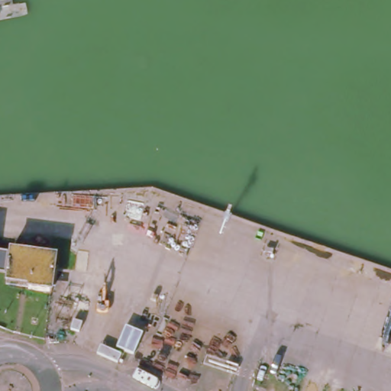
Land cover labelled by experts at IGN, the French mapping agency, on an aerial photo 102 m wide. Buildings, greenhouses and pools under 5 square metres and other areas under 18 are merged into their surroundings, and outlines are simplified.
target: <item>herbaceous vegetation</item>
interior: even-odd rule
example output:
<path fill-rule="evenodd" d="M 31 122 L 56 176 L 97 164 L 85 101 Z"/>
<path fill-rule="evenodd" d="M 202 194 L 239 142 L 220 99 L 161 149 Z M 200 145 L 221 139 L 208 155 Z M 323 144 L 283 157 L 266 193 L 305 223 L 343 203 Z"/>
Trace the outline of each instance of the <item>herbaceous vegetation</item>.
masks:
<path fill-rule="evenodd" d="M 290 391 L 290 385 L 283 376 L 264 371 L 263 380 L 255 380 L 255 385 L 275 391 Z"/>
<path fill-rule="evenodd" d="M 5 283 L 5 273 L 0 273 L 0 325 L 14 330 L 18 295 L 26 293 L 20 331 L 44 336 L 47 321 L 46 302 L 49 296 L 47 293 L 8 286 Z"/>

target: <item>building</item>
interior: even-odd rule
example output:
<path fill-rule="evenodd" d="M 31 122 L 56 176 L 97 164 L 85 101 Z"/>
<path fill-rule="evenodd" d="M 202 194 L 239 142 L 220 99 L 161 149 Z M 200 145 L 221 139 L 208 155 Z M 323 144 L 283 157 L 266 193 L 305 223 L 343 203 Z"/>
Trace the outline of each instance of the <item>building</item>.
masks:
<path fill-rule="evenodd" d="M 139 368 L 134 371 L 134 379 L 154 388 L 157 377 Z"/>
<path fill-rule="evenodd" d="M 229 374 L 235 373 L 237 362 L 208 353 L 203 357 L 205 367 L 217 368 Z"/>
<path fill-rule="evenodd" d="M 5 273 L 5 283 L 8 286 L 47 293 L 50 286 L 55 283 L 53 276 L 57 266 L 57 249 L 31 244 L 9 244 L 8 247 L 0 247 L 0 273 Z"/>
<path fill-rule="evenodd" d="M 101 359 L 122 362 L 127 359 L 128 354 L 136 353 L 142 328 L 134 327 L 128 322 L 116 338 L 115 347 L 102 344 L 96 348 L 96 354 Z"/>

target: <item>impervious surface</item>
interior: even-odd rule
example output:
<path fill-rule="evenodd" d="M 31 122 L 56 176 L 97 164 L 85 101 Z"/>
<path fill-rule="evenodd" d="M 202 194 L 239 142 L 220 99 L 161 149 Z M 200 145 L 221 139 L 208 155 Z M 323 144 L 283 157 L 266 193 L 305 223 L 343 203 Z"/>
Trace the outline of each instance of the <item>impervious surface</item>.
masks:
<path fill-rule="evenodd" d="M 263 380 L 264 371 L 283 376 L 290 385 L 290 391 L 391 391 L 391 267 L 371 263 L 331 249 L 324 244 L 276 231 L 269 226 L 238 217 L 232 212 L 211 208 L 154 186 L 41 192 L 34 200 L 24 200 L 20 194 L 0 195 L 0 247 L 8 247 L 9 244 L 31 244 L 57 249 L 57 266 L 53 276 L 55 283 L 50 286 L 47 293 L 49 296 L 46 302 L 47 321 L 44 336 L 20 331 L 26 293 L 18 295 L 14 330 L 0 325 L 0 391 L 275 391 L 255 385 L 255 380 Z M 102 344 L 115 347 L 116 338 L 128 322 L 134 327 L 142 328 L 136 353 L 128 354 L 127 359 L 122 362 L 101 359 L 96 354 L 96 348 Z M 237 362 L 235 373 L 229 374 L 217 368 L 205 367 L 203 357 L 208 353 Z M 139 368 L 157 377 L 154 388 L 134 379 L 134 371 Z"/>

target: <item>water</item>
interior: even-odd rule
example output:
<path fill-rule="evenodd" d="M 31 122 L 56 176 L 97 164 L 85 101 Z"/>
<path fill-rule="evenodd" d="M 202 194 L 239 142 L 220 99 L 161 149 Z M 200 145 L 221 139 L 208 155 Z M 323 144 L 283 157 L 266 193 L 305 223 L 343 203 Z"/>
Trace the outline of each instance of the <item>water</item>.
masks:
<path fill-rule="evenodd" d="M 232 212 L 238 217 L 269 226 L 276 231 L 324 244 L 331 249 L 371 263 L 391 267 L 391 0 L 0 0 L 0 195 L 20 194 L 24 200 L 34 200 L 41 192 L 154 186 L 211 208 Z"/>

